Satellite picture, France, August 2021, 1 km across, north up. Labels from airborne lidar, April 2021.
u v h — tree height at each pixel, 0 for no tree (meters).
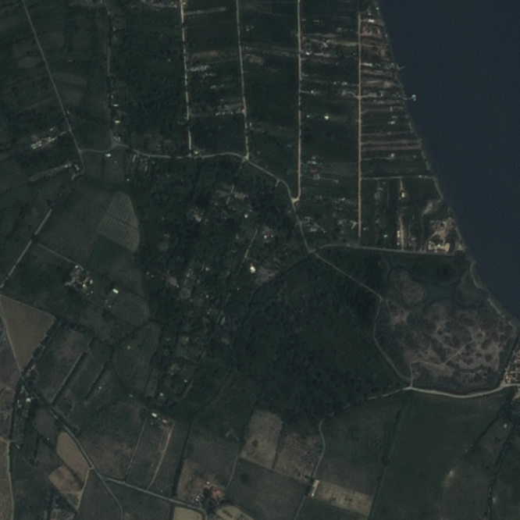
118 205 0
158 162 7
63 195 9
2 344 0
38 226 0
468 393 0
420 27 0
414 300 0
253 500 0
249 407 0
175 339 7
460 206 0
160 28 0
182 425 0
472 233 0
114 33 8
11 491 0
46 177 7
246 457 0
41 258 0
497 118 0
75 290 9
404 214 0
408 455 0
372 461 0
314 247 0
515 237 0
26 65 0
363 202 0
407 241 0
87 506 0
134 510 0
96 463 0
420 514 0
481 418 0
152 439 0
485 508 0
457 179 0
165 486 0
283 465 0
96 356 0
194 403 0
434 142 0
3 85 6
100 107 0
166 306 6
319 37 0
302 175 0
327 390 12
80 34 0
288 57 0
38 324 0
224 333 14
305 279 0
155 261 6
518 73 0
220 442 0
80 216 0
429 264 0
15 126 5
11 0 0
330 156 0
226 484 0
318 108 0
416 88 0
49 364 0
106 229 0
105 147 0
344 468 0
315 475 0
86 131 0
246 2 0
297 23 0
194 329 6
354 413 0
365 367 0
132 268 0
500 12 0
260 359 0
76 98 0
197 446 0
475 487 0
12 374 0
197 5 0
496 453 0
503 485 0
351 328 0
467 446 0
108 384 0
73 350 0
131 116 7
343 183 0
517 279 0
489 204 0
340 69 0
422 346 0
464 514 0
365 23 0
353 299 10
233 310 15
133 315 0
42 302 0
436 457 0
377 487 0
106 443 0
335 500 0
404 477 0
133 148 8
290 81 0
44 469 0
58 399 9
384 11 0
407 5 0
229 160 7
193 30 0
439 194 0
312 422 10
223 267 7
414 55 0
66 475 0
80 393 0
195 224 8
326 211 0
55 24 0
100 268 0
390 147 0
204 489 0
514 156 0
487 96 0
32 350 0
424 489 0
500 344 0
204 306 10
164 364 10
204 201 10
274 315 9
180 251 17
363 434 0
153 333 0
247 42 6
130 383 0
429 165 0
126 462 0
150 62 0
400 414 6
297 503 0
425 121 0
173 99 12
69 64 6
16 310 0
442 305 0
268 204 11
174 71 0
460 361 0
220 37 0
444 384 0
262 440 0
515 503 0
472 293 0
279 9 0
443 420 0
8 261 0
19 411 7
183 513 0
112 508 0
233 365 7
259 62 0
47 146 0
